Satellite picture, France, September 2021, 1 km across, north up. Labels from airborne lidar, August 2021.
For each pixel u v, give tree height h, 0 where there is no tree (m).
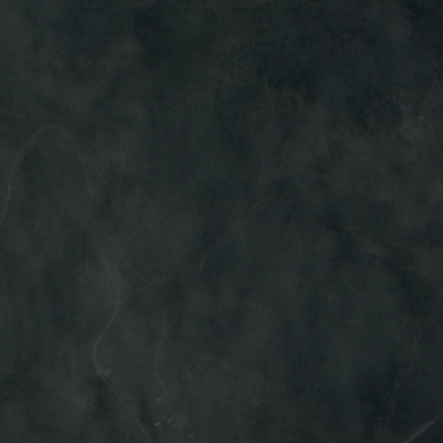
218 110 9
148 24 23
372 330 17
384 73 9
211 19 14
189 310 0
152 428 7
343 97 23
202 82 11
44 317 18
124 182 11
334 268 15
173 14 18
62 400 10
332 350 19
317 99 19
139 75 12
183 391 0
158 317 8
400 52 12
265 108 0
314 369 7
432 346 9
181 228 18
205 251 12
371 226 16
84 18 15
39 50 14
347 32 7
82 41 9
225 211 15
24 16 9
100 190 10
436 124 0
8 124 0
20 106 0
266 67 10
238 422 0
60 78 0
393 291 19
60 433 12
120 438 12
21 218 17
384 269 23
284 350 14
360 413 7
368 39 16
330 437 0
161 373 0
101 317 18
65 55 12
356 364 14
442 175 0
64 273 11
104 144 0
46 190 16
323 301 21
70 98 0
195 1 0
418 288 19
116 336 0
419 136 0
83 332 11
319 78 22
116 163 0
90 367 6
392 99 9
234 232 15
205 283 15
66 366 7
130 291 0
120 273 8
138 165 14
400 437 0
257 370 9
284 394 0
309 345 10
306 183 19
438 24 19
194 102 14
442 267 0
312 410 0
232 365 0
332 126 20
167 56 14
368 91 7
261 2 0
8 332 15
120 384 0
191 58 12
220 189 8
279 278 12
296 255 13
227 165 8
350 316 21
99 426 9
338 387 17
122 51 0
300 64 11
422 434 0
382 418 8
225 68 6
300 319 20
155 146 23
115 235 0
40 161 12
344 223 12
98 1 16
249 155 8
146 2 0
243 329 21
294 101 8
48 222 7
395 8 0
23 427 21
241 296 8
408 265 17
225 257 16
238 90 17
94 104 10
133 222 0
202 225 15
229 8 0
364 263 18
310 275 15
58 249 9
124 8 9
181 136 19
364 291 8
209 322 12
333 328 20
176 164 19
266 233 20
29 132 0
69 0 16
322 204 17
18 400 16
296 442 0
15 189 7
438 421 0
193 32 23
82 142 0
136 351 0
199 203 20
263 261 16
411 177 0
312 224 18
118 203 0
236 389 0
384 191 0
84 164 0
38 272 7
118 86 15
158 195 22
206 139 21
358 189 0
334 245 19
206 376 0
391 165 8
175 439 0
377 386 6
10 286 9
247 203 19
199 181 11
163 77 13
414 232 0
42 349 7
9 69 11
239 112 8
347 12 7
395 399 11
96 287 13
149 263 0
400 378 0
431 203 0
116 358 0
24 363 0
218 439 0
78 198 0
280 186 16
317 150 8
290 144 0
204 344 20
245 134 6
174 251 0
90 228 0
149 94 23
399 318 12
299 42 13
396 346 14
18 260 10
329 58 11
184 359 0
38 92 10
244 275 15
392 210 12
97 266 8
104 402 11
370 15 0
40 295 18
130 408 0
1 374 10
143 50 16
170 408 0
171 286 10
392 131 0
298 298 19
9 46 22
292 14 6
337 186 0
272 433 0
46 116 0
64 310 17
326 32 8
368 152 0
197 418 0
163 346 0
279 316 19
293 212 19
